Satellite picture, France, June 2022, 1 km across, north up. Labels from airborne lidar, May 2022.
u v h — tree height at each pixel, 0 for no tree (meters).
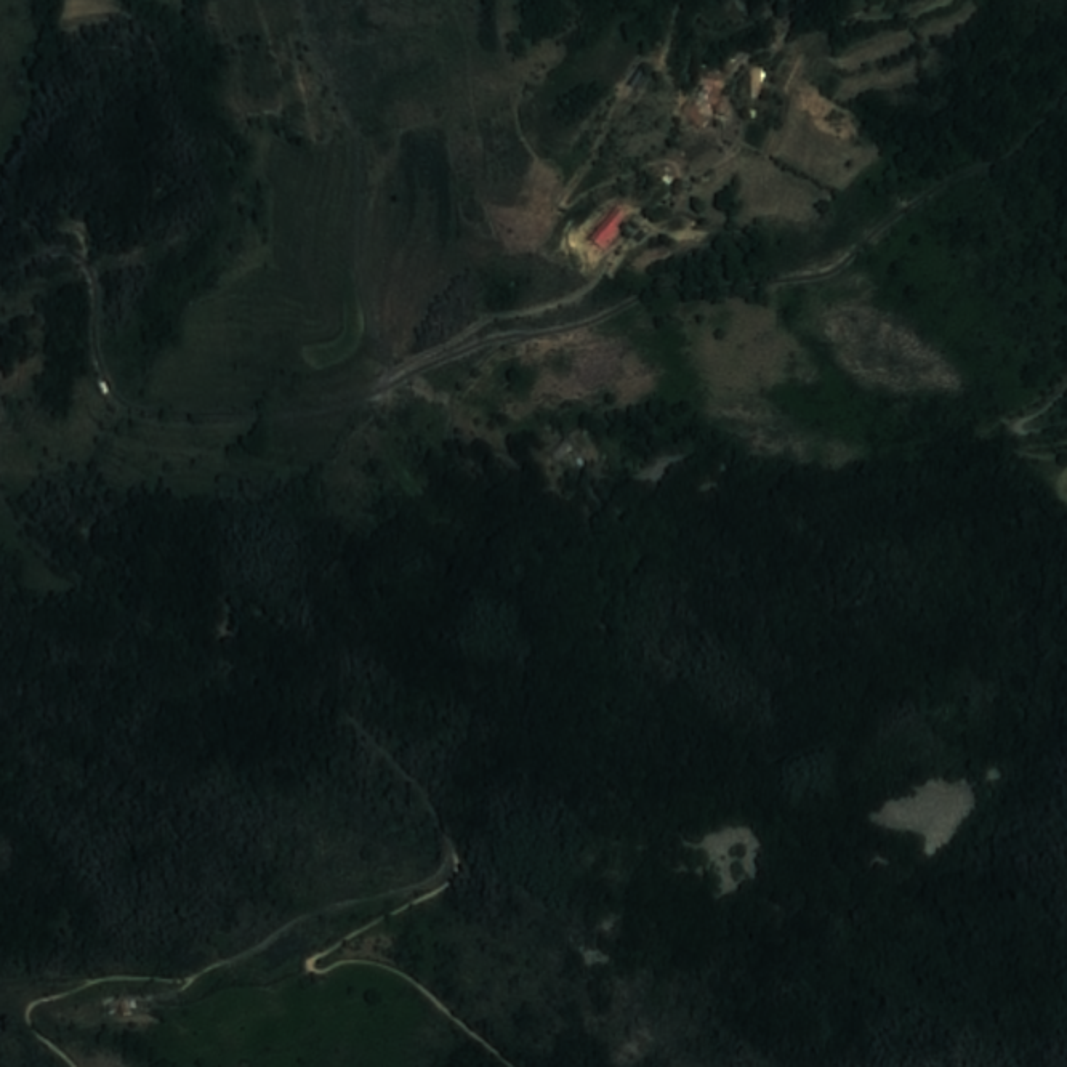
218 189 18
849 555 14
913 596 7
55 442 0
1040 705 18
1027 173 13
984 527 20
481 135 0
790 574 19
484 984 6
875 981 7
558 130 0
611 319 0
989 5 8
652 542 19
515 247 0
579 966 8
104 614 15
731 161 0
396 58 0
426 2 0
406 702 14
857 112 7
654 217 15
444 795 15
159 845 14
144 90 16
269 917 10
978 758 11
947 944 9
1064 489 0
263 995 0
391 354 0
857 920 24
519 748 22
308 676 19
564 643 14
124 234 14
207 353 0
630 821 17
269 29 0
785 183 0
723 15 0
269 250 0
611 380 0
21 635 18
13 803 13
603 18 7
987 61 10
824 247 0
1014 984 8
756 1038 13
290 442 0
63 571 8
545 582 24
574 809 17
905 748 5
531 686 26
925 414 7
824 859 21
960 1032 7
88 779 13
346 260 0
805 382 0
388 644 19
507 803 14
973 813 6
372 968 0
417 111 0
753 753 17
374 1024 0
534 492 14
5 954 11
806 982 18
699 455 13
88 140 9
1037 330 10
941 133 23
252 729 15
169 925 16
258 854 15
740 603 20
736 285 14
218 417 0
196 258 16
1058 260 16
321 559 16
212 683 13
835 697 20
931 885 19
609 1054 9
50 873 11
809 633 13
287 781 11
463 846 12
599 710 14
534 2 9
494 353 0
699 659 17
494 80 0
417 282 0
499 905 10
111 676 17
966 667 9
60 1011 0
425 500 13
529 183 0
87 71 10
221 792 6
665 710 21
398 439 7
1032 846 10
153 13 13
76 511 15
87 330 10
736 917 21
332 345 0
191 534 19
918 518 14
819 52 0
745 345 0
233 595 19
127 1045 15
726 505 16
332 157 0
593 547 19
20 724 14
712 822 15
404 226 0
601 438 14
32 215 13
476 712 14
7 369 11
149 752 12
